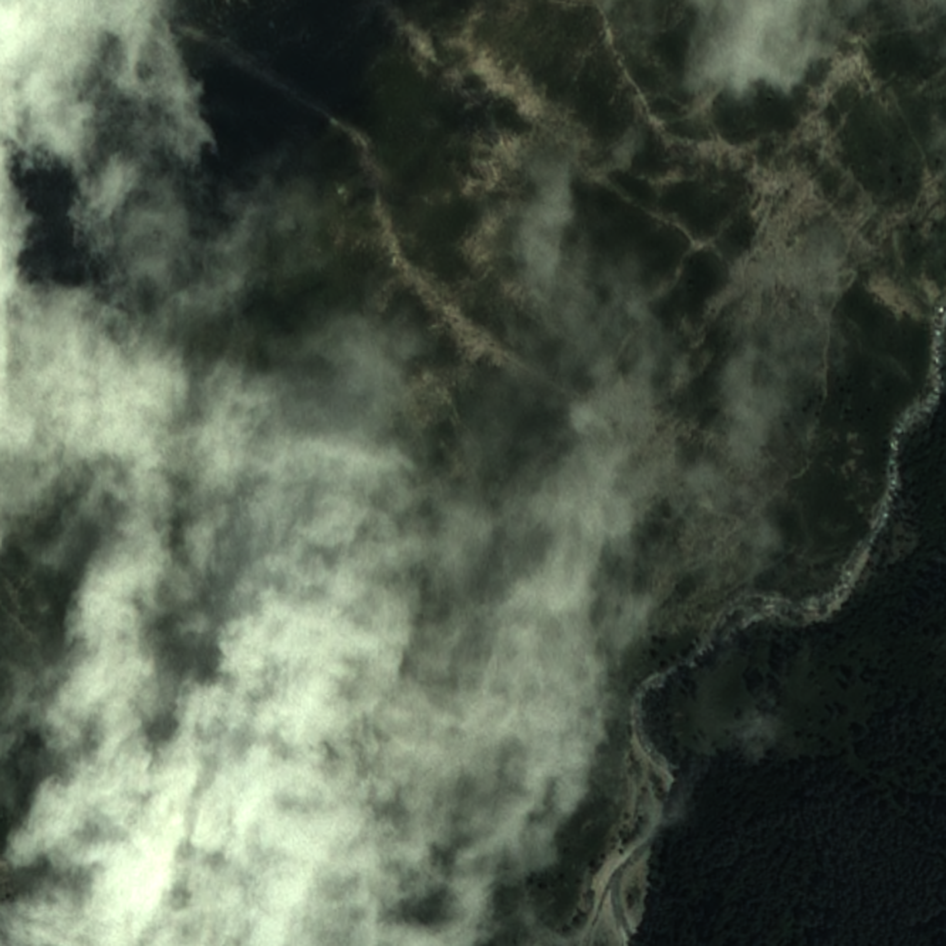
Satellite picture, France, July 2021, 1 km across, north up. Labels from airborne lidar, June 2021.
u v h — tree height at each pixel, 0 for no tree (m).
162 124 0
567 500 0
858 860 36
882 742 18
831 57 0
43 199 0
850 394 6
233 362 0
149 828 24
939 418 8
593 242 0
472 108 0
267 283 0
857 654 6
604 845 0
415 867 13
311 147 0
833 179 0
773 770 12
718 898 11
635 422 0
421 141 0
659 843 12
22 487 0
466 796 0
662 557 0
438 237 0
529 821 0
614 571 0
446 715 0
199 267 0
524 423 0
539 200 0
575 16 0
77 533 0
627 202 0
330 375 0
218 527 0
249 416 0
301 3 0
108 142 0
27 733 23
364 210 0
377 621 0
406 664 0
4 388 0
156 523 0
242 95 0
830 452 0
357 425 0
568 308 0
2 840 0
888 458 14
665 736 13
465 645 0
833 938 37
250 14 0
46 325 0
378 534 0
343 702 0
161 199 0
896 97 0
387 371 0
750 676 7
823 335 0
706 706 0
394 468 0
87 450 0
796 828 10
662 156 0
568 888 0
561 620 0
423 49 0
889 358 0
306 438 0
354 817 5
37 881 0
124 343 0
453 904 11
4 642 0
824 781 24
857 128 0
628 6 0
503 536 0
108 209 0
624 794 0
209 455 0
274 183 0
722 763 20
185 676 0
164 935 6
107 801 0
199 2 0
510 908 0
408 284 0
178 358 0
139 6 0
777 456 0
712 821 19
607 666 0
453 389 0
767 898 23
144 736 0
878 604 6
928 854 16
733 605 0
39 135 0
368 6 0
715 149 0
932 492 6
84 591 0
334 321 0
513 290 0
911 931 34
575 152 0
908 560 6
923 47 0
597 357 0
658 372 0
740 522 0
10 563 0
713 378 0
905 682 6
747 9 0
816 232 0
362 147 0
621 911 0
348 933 0
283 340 0
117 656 0
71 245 0
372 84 0
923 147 0
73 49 0
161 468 0
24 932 11
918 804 19
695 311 0
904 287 0
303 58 0
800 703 0
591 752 0
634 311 0
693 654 9
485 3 0
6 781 0
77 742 19
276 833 9
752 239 26
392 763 0
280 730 0
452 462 0
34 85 0
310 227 0
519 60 0
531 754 0
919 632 11
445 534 0
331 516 0
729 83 0
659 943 20
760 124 0
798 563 0
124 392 0
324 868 15
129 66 0
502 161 0
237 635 0
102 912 0
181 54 0
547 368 0
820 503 0
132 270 0
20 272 0
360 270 0
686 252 0
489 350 0
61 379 0
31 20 0
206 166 0
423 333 0
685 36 0
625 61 0
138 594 0
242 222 0
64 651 0
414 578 0
